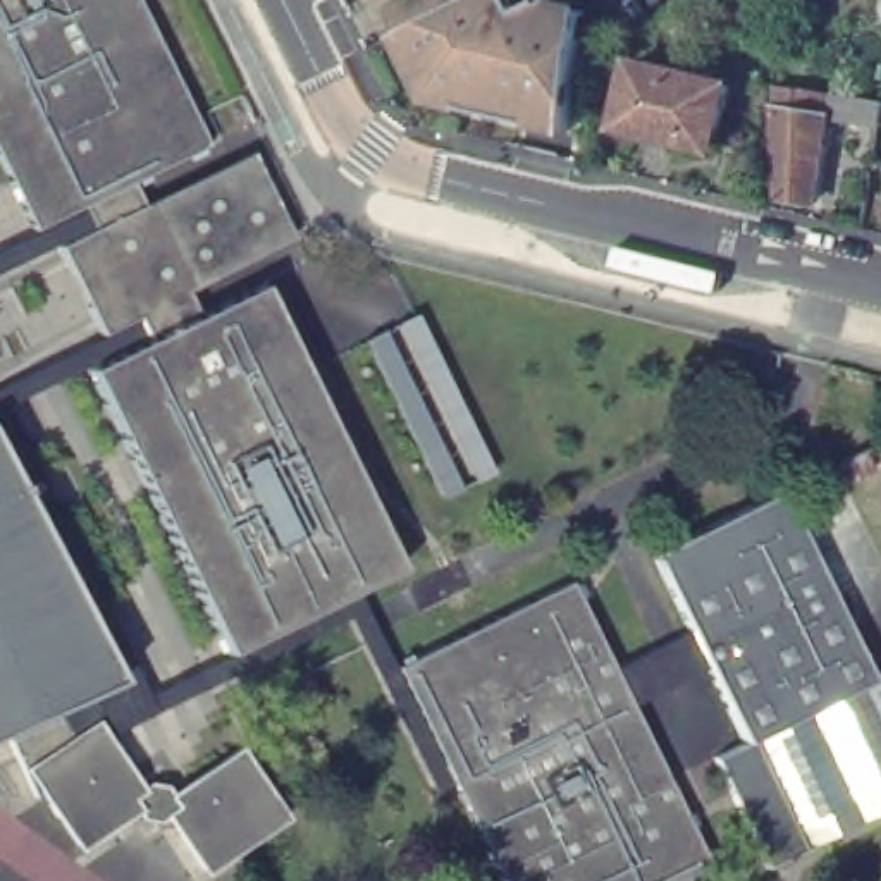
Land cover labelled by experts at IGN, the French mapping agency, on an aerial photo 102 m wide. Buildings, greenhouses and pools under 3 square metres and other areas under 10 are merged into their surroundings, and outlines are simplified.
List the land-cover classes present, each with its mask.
<instances>
[{"label":"building","instance_id":"1","mask_svg":"<svg viewBox=\"0 0 881 881\"><path fill-rule=\"evenodd\" d=\"M213 134L206 131L203 114L176 65V55L169 52L145 0H0V186H10L17 203L31 200L34 206L28 231L0 241V272L45 251L69 248L107 323V334H93L0 382V743L10 750L14 761L10 778L28 792L31 802H41L48 809V816L59 822V829L69 836L76 850L100 840L134 812H151L155 819L172 816L182 822V829L210 864L213 881H234V871L258 847L293 829L299 812L289 809V802L279 795V788L272 785L262 761L251 750H237L203 778L176 788L148 781L117 740L120 733H134V726L155 719L158 712L213 688L241 678V657L258 654L299 630H310L313 637L330 633L344 623L358 626L385 678V688L396 699L389 705L396 726H410L420 757L434 774L437 795L454 788L471 822L506 829L509 857L520 860L527 871H544V881H699L702 867L712 860V850L699 826L671 771L644 709L709 680L740 736L733 750L716 757V767L733 778L726 781V795L733 809H747L754 816V826L764 847L771 850L761 860V871L778 874L785 860L798 857L809 843L829 847L864 840L881 826V664L878 654L867 647L819 551L822 533L798 530L781 506L757 502L747 513L712 527L709 533L692 537L688 547L678 551L671 561L657 558V575L681 616V626L647 640L644 647H637L640 657L633 664L619 668L588 606L582 585L585 578H571V585L537 599L533 606H523L423 657H406L396 630L382 602L379 592L385 585L416 578L413 558L403 547V537L279 289H262L217 313L203 310L200 303L203 289L224 286L272 258L293 262L306 248L310 234H299L293 227L286 203L275 193L268 169L258 155L151 203L148 186L165 182L220 151L210 141ZM69 379L96 385L107 420L120 434L117 447L138 465L141 489L151 492V506L158 509L162 530L179 551V561L217 630V640L220 657H206L172 678H158L148 661L151 633L131 595H117L110 588L100 558L93 554L89 540L76 523V506L83 492L76 485L62 475L65 461L72 458V447L45 441L48 427H41L31 406L38 392L65 385ZM389 52V69L396 83L406 86L413 103L454 114L489 120L509 131L558 138L571 145V127L578 120L575 79L595 62L588 52V34L575 28L571 7L551 0H416L413 17L389 28V34L382 38ZM723 89V83L709 76H688L650 62L616 59L602 107V134L637 145L640 155L647 148L664 151L709 148ZM747 114L767 127L771 189V200L781 206H792V196L812 203L822 196V127L836 120L843 131L850 124H871L878 131L881 120V103L857 96L853 89L850 96H833L829 89L761 86V79L754 76L747 79ZM403 337L475 478L492 482L496 461L430 337V327L420 320L403 323ZM389 389L403 403V420L423 447V458L444 499H458L465 489L389 334L375 337L372 344ZM853 475L881 485V461L874 454H857Z\"/></svg>","mask_w":881,"mask_h":881},{"label":"impervious surface","instance_id":"2","mask_svg":"<svg viewBox=\"0 0 881 881\"><path fill-rule=\"evenodd\" d=\"M213 24L241 69L244 86L265 114V138H251L237 148L220 151L165 182L148 186L151 203L258 155L268 169L275 193L286 203L293 227L299 234H310L334 231L344 234L351 248L368 251H375L385 241L389 262L399 265L430 268L458 279L471 275L485 286L502 282L513 289L554 296L561 303L602 306L637 320L668 323L695 341H709L723 361H733L743 372L754 379L767 403L785 399L781 427L802 437V451L816 465L833 468L847 496L853 489V475L857 454L860 441L843 427L809 423L819 403L822 372L843 358L847 368L871 375L881 385V234L857 227V231H843V227H829V224H826V220H822V213L812 203L792 196V206H781L771 200V189H761L757 210H747L726 196L699 200L688 193H675L671 176L664 151L647 148L640 155L644 162L637 169H619L616 158L599 165V141L582 151H571V145L558 138L509 131L506 138H458L454 114L413 103L406 86L396 83V93L385 96L365 65L372 52H389L382 38L389 34V28L413 17L416 0H206ZM571 7L575 28L588 34L599 24H616L623 31L630 21H650L664 7V0H551ZM34 206L31 200L17 203L10 186H0V241L28 231ZM28 275H41L48 286V299L41 310H24L17 296ZM93 334H107V323L69 248L45 251L0 272V382ZM262 289H279L317 365L334 351L348 365V354L358 344H372L375 337L389 334L465 489L475 478L403 337V323L420 320L423 303L410 296L403 282L396 289L372 293L358 306L323 299L313 303L293 262L272 258L224 286L203 289L200 303L203 310L217 313ZM31 406L41 427H48L45 441L72 447V458L65 461L62 475L76 485L86 475H93L103 485V492L114 489L120 499H131L141 489L138 465L117 447L103 461L96 458L93 437L72 410L65 385L38 392ZM647 471H637L609 482L606 489L592 482L582 485L578 496H564L544 509L533 523L530 540L516 547H454V561L447 568L423 575L413 585V592L382 602L396 630L403 619L437 606L441 599L478 582H489L502 571H513L520 564H530L554 547L568 533L599 530L609 558L619 568L630 599L644 616L647 640L681 626V616L657 575V558H644L626 537V513L644 499V482L657 478L668 468V454L661 451L644 458ZM819 551L867 647L878 654L881 664V540L860 523L857 506L847 499L843 509L833 516V533H822ZM151 633L148 661L158 678H172L206 657H220L217 640H210L200 650L189 644L151 564H145L141 575L131 582V595ZM671 771L681 764L688 771L716 757L733 750L740 736L709 680L644 709ZM217 712L213 688L158 712L155 719L134 726V733H120L117 740L148 781L176 788L203 778L237 750V743H220L217 750L196 757L200 730ZM14 761L10 750L0 743V881H213L210 864L182 829V822L172 816L155 819L151 812H134L100 840L76 850L69 836L59 829V822L48 816V809L41 802H31L28 792L10 778Z\"/></svg>","mask_w":881,"mask_h":881},{"label":"deciduous trees","instance_id":"3","mask_svg":"<svg viewBox=\"0 0 881 881\"><path fill-rule=\"evenodd\" d=\"M829 21L816 10L809 14L802 0H664V7L650 21H630L623 31L616 24H599L588 34V52L595 62L575 79L578 120L571 127V151H582L599 141V165L616 158L619 169H637L644 162L640 155L637 145L602 134V107L616 59L650 62L688 76H709L723 83V89L730 83L747 86V79L754 76L761 79V86L829 89L833 96H850L853 89L850 72L836 69L840 52L826 45ZM730 158V172L719 186L726 196L747 210H757L761 189H771L767 127L747 114L743 131L719 148ZM857 217H860V206H833V210H822V220H826V224H829V227H843V231H857ZM313 303L323 299L358 306L372 293L396 289L403 282L399 265L389 262L385 241L375 251H368L351 248L344 234L334 231L310 234L306 248L293 262ZM17 296L24 310H41L48 299V286L41 275H28ZM668 416L675 420V447L668 454V468L695 492L705 482H726L757 502L781 506L798 530L822 533H833V516L843 509L847 499V496L833 468L816 465L802 451V437L781 427L785 399L767 403L754 379L743 372L730 375L716 365L699 385H688L685 379L678 382L668 403ZM72 410L93 437L96 458L103 461L117 447L120 434L107 420L96 385L69 379L65 385ZM661 451L654 434H644V441L626 444V465L637 471H647L644 458ZM551 478L564 496H578L582 485L592 482L588 468L558 471ZM83 492L76 506V523L89 540L93 554L100 558L110 588L117 595H131V582L141 575L145 564H151L189 644L200 650L210 640H217V630L179 561V551L162 530L158 509L151 506V492L141 489L131 499H120L114 489L103 492V485L93 475H86L76 485ZM544 509L530 482H499L478 521V530L496 547H516L530 540L533 523ZM626 537L644 558H657L671 561L678 551L688 547L692 537L688 523L678 516L668 496L644 499L626 513ZM561 568L571 578H592L595 568L609 558L599 530L568 533L554 547ZM313 637L310 630H299L258 654L241 657V678L213 688L217 712L200 730L196 757L217 750L220 743H237V750H251L262 761L272 785L279 788V795L289 802V809L299 812L293 829L323 860V867H317L310 881H544V871H527L520 860L509 857L506 829L471 822L454 788L437 795V819L416 822L410 829L392 867L385 853L375 850V843L365 840V812L372 809L375 781L392 767L399 754L396 726L389 705L379 699L358 719L341 699H327L334 692V668L330 654L310 647ZM712 850V860L702 867L699 881H781L778 874L761 871V860L771 850L764 847L754 826V816L747 809H733L716 812L709 816V822L699 826ZM802 881H881V826L864 840L829 847L822 860L812 867V874H805Z\"/></svg>","mask_w":881,"mask_h":881},{"label":"herbaceous vegetation","instance_id":"4","mask_svg":"<svg viewBox=\"0 0 881 881\"><path fill-rule=\"evenodd\" d=\"M169 52L176 55V65L203 114L206 131L213 134L210 141L220 151L237 148L251 138H265V114L244 86L237 96L232 95L188 0H145ZM809 14L816 10L829 21L826 45L840 52L836 69L850 72L853 89L857 96L881 103V0H802ZM747 86L730 83L723 89L709 148L664 151L671 176L699 169L719 186L730 172V158L719 148L743 131L747 114ZM822 196L812 203L822 213V210H833V206H860V217H857V227L881 234V120L878 131L871 124H850L843 131L836 120L822 127ZM403 282L410 296L423 303L420 320L430 327V337L496 461L492 482L475 478L465 489L458 499H444L423 458L410 465L403 478H396V468L375 434V423L348 379V365L334 351L317 365L403 537V547L413 558L416 578L385 585L379 592L382 602L413 592V585L423 575L447 568L454 561V547H496L478 530V521L499 482H530L544 509L564 496L551 478L558 471L588 468L592 482L606 489L609 482L637 471L626 465V444L644 441V434H654L661 451L668 454L675 447V420L668 416V403L678 382L685 379L688 385H699L716 365L730 375L743 372L733 361H723L709 341H695L668 323L637 320L602 306L561 303L554 296L513 289L502 282L485 286L471 275L458 279L430 268L399 265ZM809 423L843 427L860 441L857 454H874L881 461V385L871 375L847 368L843 358L822 372L819 403ZM644 499L668 496L678 516L688 523L692 537L709 533L712 527L747 513L757 502L726 482H705L695 492L668 468L657 478L644 482ZM847 499L857 506L860 523L881 540V485L853 475V489L847 496ZM571 585V578L561 568L554 547L530 564H520L513 571H502L489 582H478L441 599L437 606L403 619L396 630L406 657H423L523 606H533L537 599ZM582 585L588 606L619 668L633 664L640 657L637 647H644L647 640L644 616L630 599L619 568L609 558L595 568L592 578H585ZM310 647L330 654L334 668V692L327 699H341L358 719L379 699L389 705L396 699L385 688V678L358 626L344 623L330 633L313 637ZM399 754L392 767L375 781L372 809L365 812V840L375 843V850L385 853L392 867L410 829L416 822L437 819V795L434 774L420 757L410 726H396ZM702 802L726 795V781L733 778L716 767V757L688 771ZM317 867H323V860L293 829L258 847L234 871V881H310Z\"/></svg>","mask_w":881,"mask_h":881},{"label":"brushwood","instance_id":"5","mask_svg":"<svg viewBox=\"0 0 881 881\"><path fill-rule=\"evenodd\" d=\"M232 95L237 96L244 86L241 69L213 24L206 0H188ZM389 52H372L365 65L385 96L396 93V83L389 69ZM458 138H506L509 131L489 120L454 114ZM675 193H688L699 200L726 196L719 186L699 169L671 176ZM348 379L375 423V434L396 468V478H403L410 465L423 458V447L403 420V403L389 389L372 344H358L348 354Z\"/></svg>","mask_w":881,"mask_h":881},{"label":"pervious surface","instance_id":"6","mask_svg":"<svg viewBox=\"0 0 881 881\"><path fill-rule=\"evenodd\" d=\"M699 826L709 822V816L716 812L733 809L726 795L702 802L688 771L681 764L671 771ZM829 847L809 843L798 857L785 860L778 874L781 881H802L805 874H812V867L822 860Z\"/></svg>","mask_w":881,"mask_h":881}]
</instances>
